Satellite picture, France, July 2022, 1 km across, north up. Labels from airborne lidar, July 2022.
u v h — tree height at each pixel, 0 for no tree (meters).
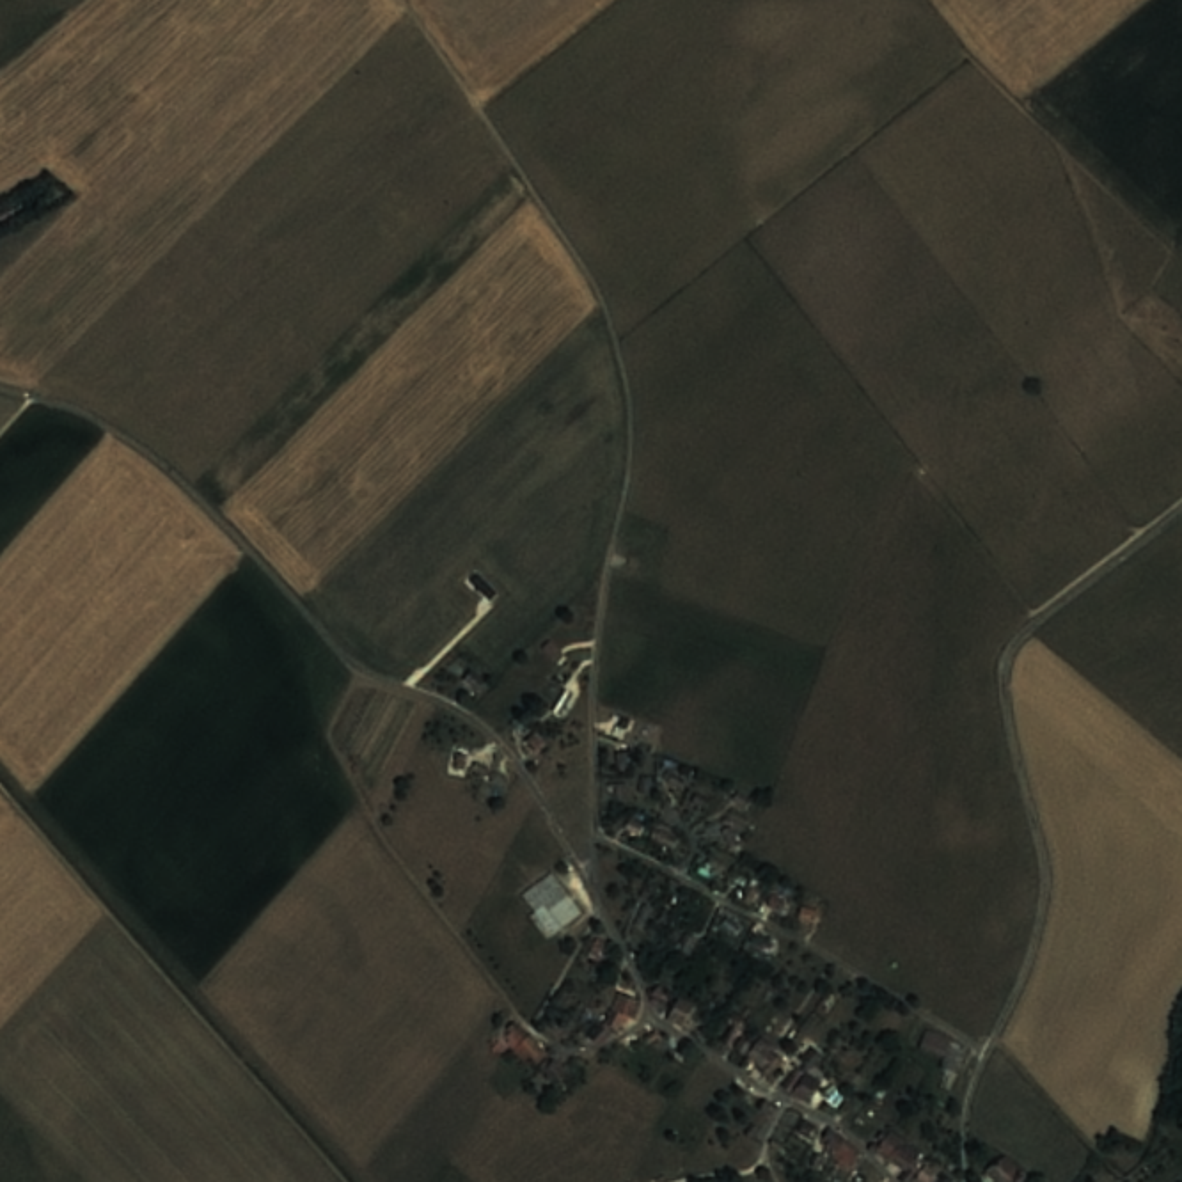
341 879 0
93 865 0
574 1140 0
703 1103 0
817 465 0
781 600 0
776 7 0
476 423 0
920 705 0
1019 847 0
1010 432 0
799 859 0
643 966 9
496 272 0
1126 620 0
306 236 0
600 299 0
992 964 0
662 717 0
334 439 0
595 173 0
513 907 0
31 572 0
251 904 0
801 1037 0
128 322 0
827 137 0
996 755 0
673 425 0
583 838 0
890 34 0
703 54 0
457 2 0
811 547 0
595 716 0
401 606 0
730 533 0
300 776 0
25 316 0
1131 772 0
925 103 0
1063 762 0
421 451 0
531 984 0
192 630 0
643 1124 0
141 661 0
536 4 0
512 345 0
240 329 0
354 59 0
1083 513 0
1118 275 0
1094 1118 0
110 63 0
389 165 0
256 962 0
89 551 0
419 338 0
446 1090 0
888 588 0
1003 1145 0
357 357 0
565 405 0
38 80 0
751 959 13
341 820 0
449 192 0
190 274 0
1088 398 0
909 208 0
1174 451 0
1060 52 0
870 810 0
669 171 0
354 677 0
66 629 0
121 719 0
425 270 0
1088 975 0
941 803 0
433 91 0
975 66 0
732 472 0
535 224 0
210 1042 0
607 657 0
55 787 0
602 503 0
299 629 0
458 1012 0
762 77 0
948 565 0
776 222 0
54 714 0
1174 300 0
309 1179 0
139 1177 0
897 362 0
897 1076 7
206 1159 0
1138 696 0
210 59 0
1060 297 0
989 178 0
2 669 0
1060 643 0
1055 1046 0
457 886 0
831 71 0
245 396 0
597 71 0
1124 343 0
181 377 0
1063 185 0
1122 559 0
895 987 0
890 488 0
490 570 0
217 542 0
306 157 0
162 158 0
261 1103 0
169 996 0
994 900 0
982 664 0
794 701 0
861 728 0
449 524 0
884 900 0
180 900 0
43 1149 0
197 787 0
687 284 0
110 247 0
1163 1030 0
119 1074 0
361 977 0
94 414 0
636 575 0
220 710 0
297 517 0
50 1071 0
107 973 0
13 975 0
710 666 0
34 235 0
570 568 0
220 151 0
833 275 0
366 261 0
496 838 0
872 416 0
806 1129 0
